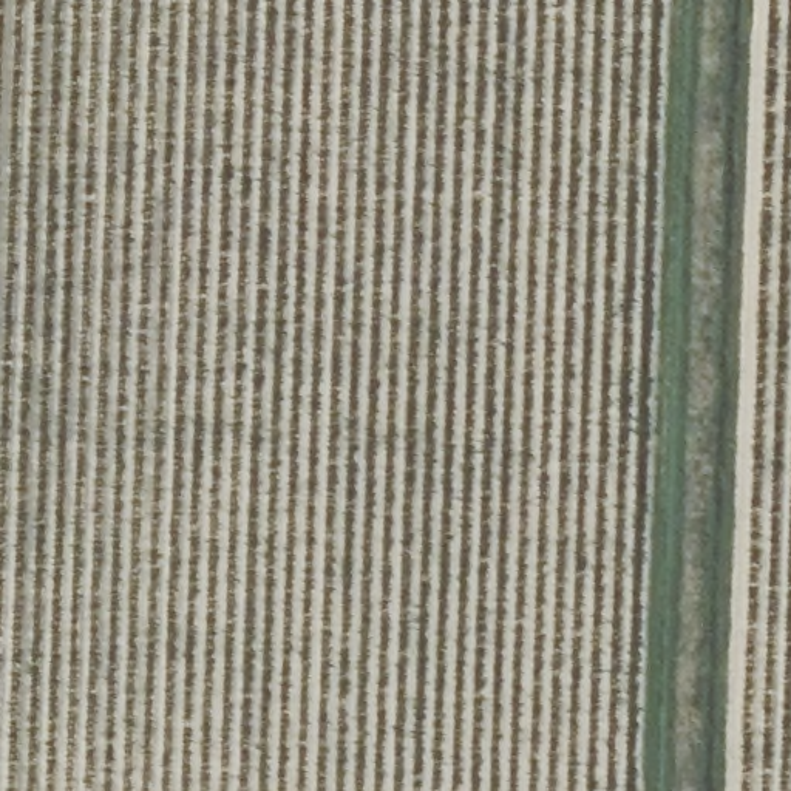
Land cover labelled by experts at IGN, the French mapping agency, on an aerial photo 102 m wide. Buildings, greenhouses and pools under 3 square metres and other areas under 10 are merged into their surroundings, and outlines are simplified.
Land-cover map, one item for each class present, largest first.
<instances>
[{"label":"vineyard","instance_id":"1","mask_svg":"<svg viewBox=\"0 0 791 791\"><path fill-rule=\"evenodd\" d=\"M674 0H0V791H646L649 593L658 460L655 420L661 368V260ZM742 791H791V0H769L757 275L751 562L742 698Z\"/></svg>","mask_w":791,"mask_h":791},{"label":"herbaceous vegetation","instance_id":"2","mask_svg":"<svg viewBox=\"0 0 791 791\"><path fill-rule=\"evenodd\" d=\"M769 0H674L661 260V368L655 420L658 460L649 593L646 791H742V698L751 562L757 275Z\"/></svg>","mask_w":791,"mask_h":791}]
</instances>
